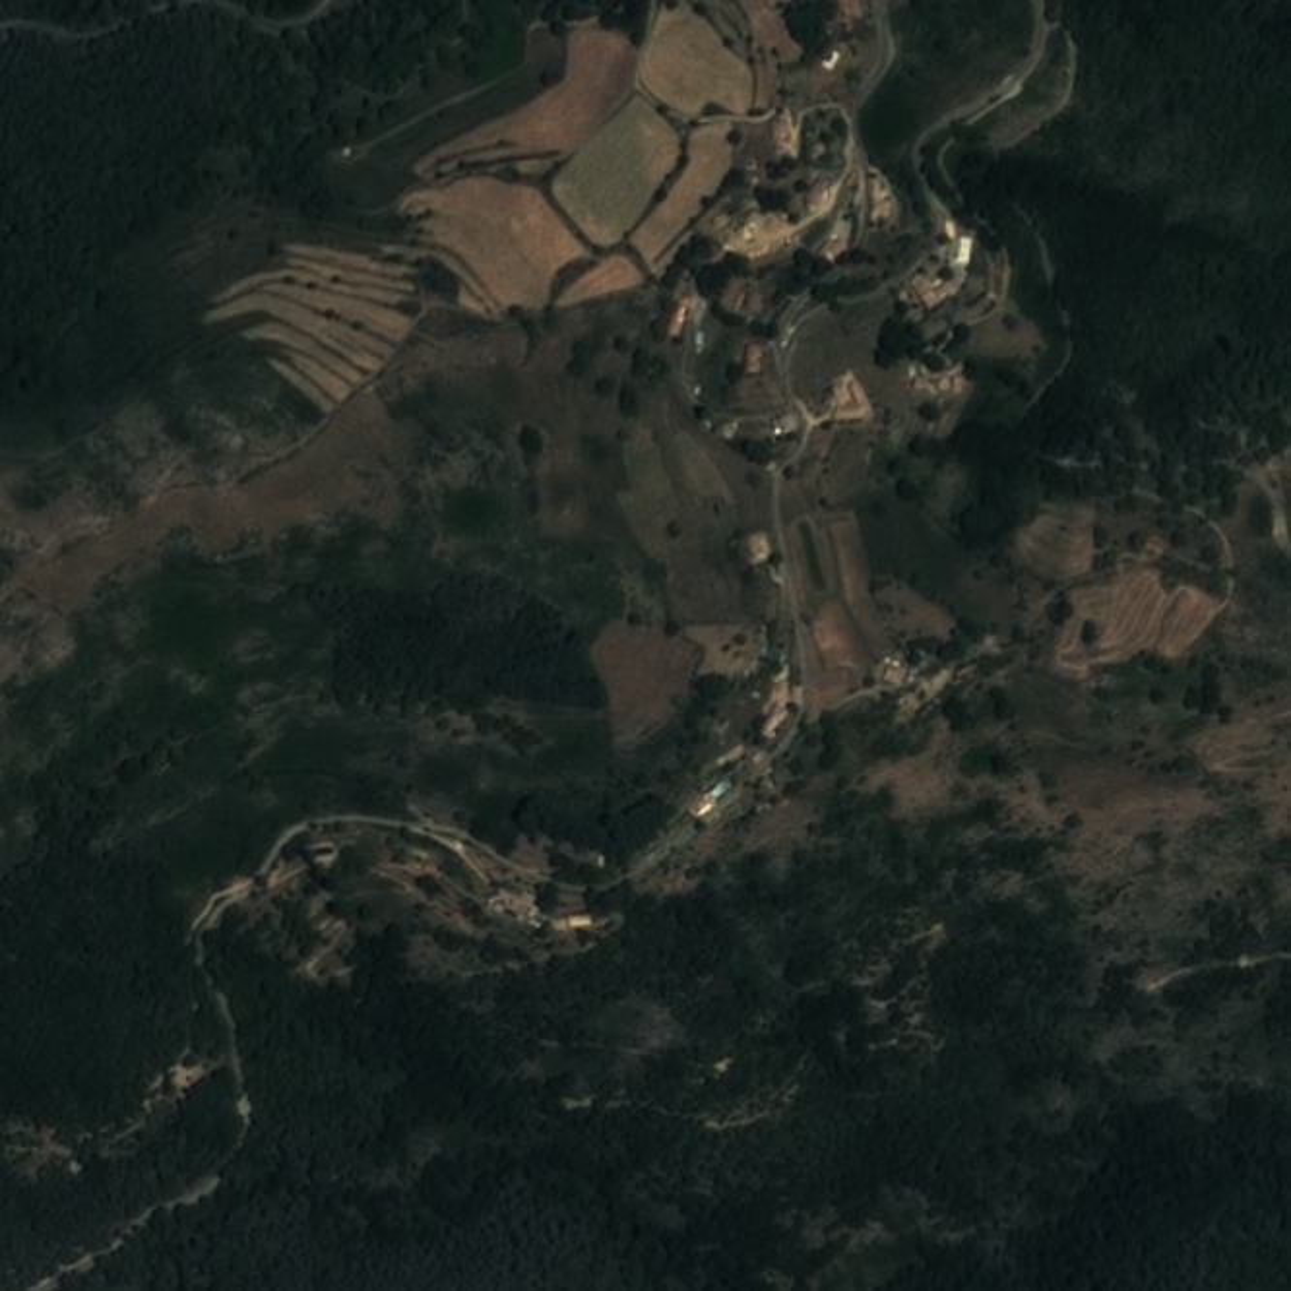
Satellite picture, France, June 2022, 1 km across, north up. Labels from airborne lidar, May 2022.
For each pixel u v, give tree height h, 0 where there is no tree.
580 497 0
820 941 5
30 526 0
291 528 0
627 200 0
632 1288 16
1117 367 8
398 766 6
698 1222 14
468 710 12
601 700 21
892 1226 6
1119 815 0
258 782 8
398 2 8
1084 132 7
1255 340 10
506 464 0
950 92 0
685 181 0
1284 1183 16
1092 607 0
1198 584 0
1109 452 14
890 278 10
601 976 7
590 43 0
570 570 0
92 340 0
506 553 0
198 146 10
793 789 11
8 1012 18
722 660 0
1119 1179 15
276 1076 12
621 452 0
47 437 0
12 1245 12
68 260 17
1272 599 0
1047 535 0
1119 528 0
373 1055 22
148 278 0
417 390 0
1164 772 7
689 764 7
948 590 0
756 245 0
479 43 9
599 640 0
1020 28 0
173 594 0
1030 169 20
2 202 16
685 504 0
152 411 0
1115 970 7
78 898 14
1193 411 9
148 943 13
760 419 0
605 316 0
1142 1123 17
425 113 0
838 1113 13
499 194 0
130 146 13
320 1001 25
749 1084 10
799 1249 13
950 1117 12
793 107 0
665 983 8
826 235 0
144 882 14
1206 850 0
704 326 0
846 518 0
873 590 8
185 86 17
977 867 11
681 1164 6
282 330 0
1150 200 8
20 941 15
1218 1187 17
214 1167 14
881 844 6
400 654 12
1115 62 11
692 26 0
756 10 0
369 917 15
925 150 10
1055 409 19
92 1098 16
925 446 24
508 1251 17
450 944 10
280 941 10
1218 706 14
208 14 11
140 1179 15
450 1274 16
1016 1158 15
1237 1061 9
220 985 14
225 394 0
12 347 19
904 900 7
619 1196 12
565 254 0
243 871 8
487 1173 12
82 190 20
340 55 13
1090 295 11
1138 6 17
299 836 6
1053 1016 10
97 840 13
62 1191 10
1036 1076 9
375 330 0
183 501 0
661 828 22
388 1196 15
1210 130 9
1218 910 10
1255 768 0
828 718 9
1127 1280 18
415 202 0
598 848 23
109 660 0
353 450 0
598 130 0
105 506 0
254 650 0
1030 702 0
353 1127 17
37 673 0
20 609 0
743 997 17
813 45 10
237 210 0
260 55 10
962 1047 13
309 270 0
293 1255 14
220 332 0
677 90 0
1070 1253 17
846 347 0
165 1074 9
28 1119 13
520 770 0
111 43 16
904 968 9
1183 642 0
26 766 0
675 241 0
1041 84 0
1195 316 8
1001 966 10
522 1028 11
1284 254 8
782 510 0
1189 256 7
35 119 19
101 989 20
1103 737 0
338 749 0
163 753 11
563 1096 9
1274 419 9
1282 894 0
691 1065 9
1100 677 0
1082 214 12
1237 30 11
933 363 13
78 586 0
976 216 11
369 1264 19
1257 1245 12
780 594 0
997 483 12
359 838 0
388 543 0
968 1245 12
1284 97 7
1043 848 6
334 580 0
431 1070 30
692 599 0
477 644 15
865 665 0
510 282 0
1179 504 7
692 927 18
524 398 0
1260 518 0
